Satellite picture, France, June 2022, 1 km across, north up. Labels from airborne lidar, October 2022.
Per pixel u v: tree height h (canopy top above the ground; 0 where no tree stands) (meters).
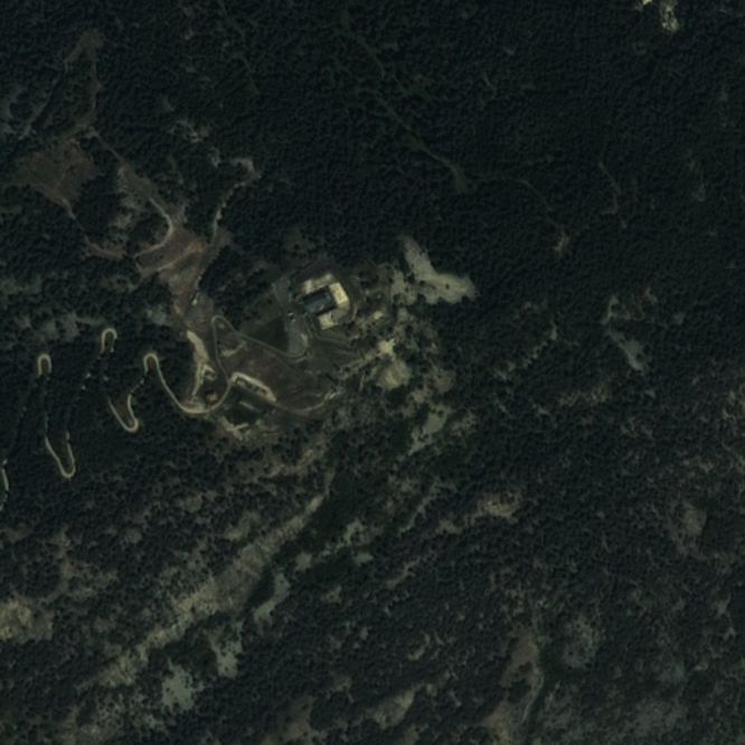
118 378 20
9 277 25
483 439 8
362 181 21
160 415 13
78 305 22
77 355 14
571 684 10
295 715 0
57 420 16
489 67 14
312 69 12
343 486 7
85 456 9
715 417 14
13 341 13
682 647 9
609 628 11
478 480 28
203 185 0
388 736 15
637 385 23
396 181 31
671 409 10
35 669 19
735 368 8
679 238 17
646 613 8
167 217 0
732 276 15
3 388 16
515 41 19
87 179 0
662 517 8
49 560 12
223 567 14
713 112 24
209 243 0
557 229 23
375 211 29
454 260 28
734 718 13
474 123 20
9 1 15
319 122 20
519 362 9
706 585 12
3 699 16
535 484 19
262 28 7
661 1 19
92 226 0
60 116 0
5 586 13
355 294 0
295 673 23
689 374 23
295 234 0
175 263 0
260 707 13
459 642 11
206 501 21
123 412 0
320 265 0
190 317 0
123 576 17
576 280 21
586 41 22
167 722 21
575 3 13
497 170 25
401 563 12
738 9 16
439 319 24
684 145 19
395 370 0
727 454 10
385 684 14
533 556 17
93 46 0
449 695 17
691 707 7
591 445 15
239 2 19
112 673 0
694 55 26
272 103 20
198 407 0
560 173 15
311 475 13
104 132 0
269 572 9
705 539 17
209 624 12
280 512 11
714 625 11
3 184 0
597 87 19
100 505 13
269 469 8
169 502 10
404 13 12
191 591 8
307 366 0
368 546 7
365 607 13
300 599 11
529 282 21
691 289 15
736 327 23
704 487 11
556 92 13
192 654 6
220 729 14
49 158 0
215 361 0
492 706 11
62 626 12
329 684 18
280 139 15
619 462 12
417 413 6
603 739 7
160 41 10
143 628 11
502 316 16
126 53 23
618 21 15
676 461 16
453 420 7
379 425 11
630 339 31
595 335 19
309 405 0
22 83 21
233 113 19
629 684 12
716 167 14
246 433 0
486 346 16
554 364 15
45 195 0
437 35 14
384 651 12
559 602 8
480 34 24
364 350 0
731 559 6
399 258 14
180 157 0
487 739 14
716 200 19
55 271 13
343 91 12
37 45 19
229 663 0
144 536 16
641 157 14
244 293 0
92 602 7
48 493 25
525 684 10
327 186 26
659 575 12
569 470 9
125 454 9
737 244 28
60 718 12
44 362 0
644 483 10
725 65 24
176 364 11
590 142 15
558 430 11
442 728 12
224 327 0
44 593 14
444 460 11
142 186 0
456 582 16
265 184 7
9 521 12
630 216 28
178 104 20
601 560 9
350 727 9
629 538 11
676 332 21
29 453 11
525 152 28
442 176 27
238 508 21
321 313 7
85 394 13
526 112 21
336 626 11
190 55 10
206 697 14
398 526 8
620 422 14
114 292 10
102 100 24
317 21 11
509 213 16
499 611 8
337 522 9
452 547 24
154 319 0
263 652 21
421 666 15
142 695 9
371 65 12
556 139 23
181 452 11
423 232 12
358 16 19
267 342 0
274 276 0
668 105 26
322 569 11
